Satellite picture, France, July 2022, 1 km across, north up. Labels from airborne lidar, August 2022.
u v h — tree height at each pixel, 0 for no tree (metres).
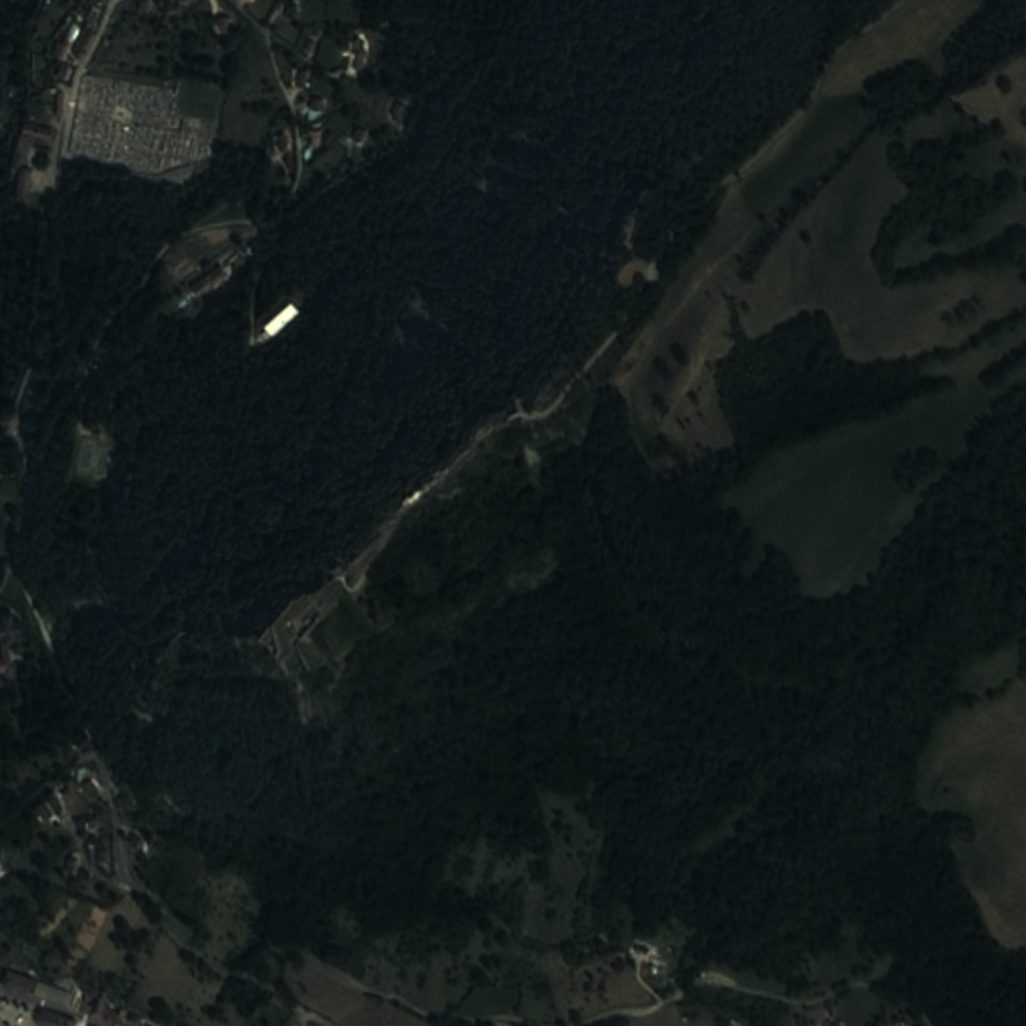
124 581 27
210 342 28
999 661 0
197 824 17
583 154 31
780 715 19
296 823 26
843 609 21
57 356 23
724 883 21
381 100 0
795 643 22
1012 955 15
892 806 27
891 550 15
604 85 28
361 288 25
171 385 30
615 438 26
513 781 9
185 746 28
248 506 26
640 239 16
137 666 16
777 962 12
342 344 26
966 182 15
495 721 8
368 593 7
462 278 28
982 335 9
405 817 20
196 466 31
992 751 0
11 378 11
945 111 0
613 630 21
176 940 0
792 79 15
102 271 21
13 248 23
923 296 0
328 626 0
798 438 6
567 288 14
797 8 17
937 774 0
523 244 29
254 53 0
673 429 0
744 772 17
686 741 19
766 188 0
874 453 0
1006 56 18
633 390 0
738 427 16
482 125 7
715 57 20
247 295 27
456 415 21
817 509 0
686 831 14
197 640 6
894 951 18
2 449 10
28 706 12
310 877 18
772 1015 7
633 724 18
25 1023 0
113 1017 0
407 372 30
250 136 0
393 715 14
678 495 19
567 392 9
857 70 0
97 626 22
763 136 13
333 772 22
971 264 16
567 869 0
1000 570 32
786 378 12
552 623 32
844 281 0
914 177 7
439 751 20
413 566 20
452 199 19
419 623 5
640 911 18
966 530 27
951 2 0
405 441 24
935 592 24
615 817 7
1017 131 0
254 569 28
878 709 27
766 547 0
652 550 20
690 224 11
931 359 14
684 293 0
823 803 22
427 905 14
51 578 25
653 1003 0
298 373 29
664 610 19
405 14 23
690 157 18
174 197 14
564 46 35
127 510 31
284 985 15
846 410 17
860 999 0
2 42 24
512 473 6
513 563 6
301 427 31
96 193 23
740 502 0
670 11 29
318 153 7
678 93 20
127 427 31
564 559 18
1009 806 0
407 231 23
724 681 21
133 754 25
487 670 27
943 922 18
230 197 21
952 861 22
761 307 0
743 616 18
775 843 19
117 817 0
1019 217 0
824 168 0
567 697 23
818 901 23
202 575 27
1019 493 23
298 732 25
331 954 15
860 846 21
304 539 32
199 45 12
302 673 7
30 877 17
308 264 32
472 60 22
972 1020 10
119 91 0
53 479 32
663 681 23
